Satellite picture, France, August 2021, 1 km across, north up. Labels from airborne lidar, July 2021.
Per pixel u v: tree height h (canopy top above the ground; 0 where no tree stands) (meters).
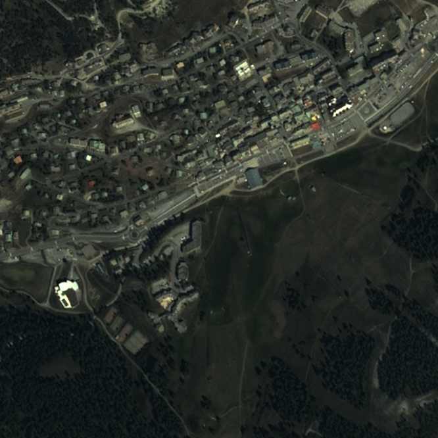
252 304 0
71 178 0
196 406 0
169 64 0
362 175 0
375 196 0
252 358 0
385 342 0
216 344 0
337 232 0
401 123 0
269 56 0
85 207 0
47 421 25
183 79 8
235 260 0
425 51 0
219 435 0
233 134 0
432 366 13
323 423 0
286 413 17
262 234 0
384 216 0
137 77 0
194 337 0
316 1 0
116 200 8
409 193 16
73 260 0
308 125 0
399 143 0
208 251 0
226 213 0
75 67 0
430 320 14
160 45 0
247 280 0
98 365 21
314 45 0
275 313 0
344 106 0
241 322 0
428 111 0
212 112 7
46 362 23
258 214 0
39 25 9
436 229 20
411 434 10
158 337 0
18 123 0
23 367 24
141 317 0
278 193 0
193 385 0
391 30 0
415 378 11
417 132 0
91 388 26
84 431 24
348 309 0
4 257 0
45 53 12
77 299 0
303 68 0
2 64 13
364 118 0
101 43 9
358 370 10
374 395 0
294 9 0
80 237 0
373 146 0
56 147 0
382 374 14
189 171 0
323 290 0
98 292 0
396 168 0
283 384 12
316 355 0
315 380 0
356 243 0
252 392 0
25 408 26
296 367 0
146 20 7
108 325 7
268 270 0
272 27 0
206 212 0
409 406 0
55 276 0
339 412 0
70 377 19
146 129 0
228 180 0
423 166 14
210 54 13
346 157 0
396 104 0
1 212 0
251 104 7
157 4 0
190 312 0
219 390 0
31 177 0
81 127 8
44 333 16
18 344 25
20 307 0
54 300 0
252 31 0
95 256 0
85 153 8
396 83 0
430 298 0
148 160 0
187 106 9
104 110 0
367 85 0
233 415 0
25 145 12
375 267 0
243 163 0
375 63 0
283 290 0
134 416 23
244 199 0
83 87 0
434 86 0
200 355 0
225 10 0
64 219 0
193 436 0
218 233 0
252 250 0
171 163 0
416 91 0
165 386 19
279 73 0
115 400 24
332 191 0
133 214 0
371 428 14
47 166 9
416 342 15
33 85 7
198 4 0
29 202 0
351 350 20
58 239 0
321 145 0
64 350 27
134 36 0
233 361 0
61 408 26
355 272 0
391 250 0
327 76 0
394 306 20
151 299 0
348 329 13
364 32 0
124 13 0
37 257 0
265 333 0
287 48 7
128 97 0
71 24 8
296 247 0
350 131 0
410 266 0
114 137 0
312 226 0
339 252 0
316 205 0
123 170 0
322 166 0
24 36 12
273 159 0
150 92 0
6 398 25
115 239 0
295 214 0
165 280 0
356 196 0
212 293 0
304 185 0
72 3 8
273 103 0
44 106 0
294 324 0
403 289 0
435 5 0
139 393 0
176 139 0
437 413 12
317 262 0
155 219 0
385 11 0
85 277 0
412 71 0
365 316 0
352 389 18
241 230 0
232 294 0
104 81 11
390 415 0
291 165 0
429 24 0
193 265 0
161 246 0
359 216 0
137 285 0
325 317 0
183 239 0
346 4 0
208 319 0
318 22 0
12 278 0
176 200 0
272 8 0
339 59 0
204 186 0
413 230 21
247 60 0
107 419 27
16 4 13
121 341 0
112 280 0
